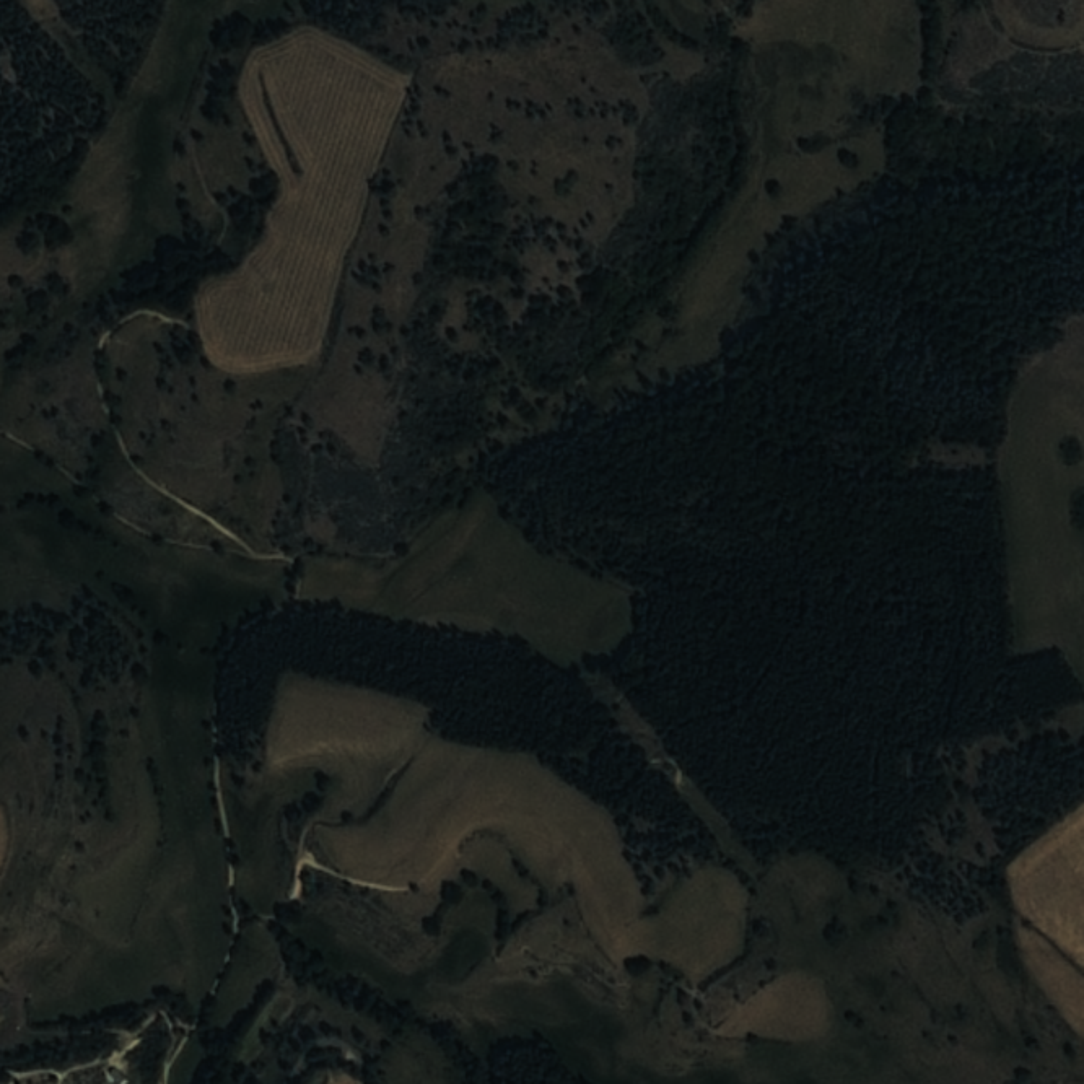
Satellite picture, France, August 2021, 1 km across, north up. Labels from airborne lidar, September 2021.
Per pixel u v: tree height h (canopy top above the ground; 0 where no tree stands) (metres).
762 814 13
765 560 16
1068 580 0
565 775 10
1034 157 14
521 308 0
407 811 0
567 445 13
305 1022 0
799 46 0
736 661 14
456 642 14
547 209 0
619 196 0
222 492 0
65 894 0
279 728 0
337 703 0
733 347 21
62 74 14
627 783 14
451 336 18
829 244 8
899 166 7
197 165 0
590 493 14
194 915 0
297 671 11
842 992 0
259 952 0
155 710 0
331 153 0
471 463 8
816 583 20
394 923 0
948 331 15
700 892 0
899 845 11
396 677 14
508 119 0
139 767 0
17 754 0
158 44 0
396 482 12
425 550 0
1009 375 9
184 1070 0
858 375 18
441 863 0
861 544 12
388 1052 9
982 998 0
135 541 0
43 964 0
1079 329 0
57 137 15
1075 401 0
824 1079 0
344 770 0
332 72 0
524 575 0
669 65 0
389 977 0
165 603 0
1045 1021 0
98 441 14
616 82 0
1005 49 0
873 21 0
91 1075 0
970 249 9
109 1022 9
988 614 16
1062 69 0
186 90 0
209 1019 11
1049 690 13
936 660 12
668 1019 0
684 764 11
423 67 0
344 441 0
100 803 6
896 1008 0
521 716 12
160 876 0
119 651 17
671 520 8
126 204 0
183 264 17
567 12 9
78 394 0
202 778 0
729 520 10
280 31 12
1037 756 14
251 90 0
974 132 17
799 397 13
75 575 0
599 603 0
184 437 0
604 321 15
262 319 0
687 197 12
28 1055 10
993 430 7
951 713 12
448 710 13
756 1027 0
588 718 20
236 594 0
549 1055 14
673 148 7
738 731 13
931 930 0
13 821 0
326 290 0
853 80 0
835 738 15
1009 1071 0
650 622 15
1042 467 0
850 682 14
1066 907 0
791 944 0
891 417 15
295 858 0
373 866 0
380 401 0
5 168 19
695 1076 0
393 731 0
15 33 14
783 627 15
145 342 0
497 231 11
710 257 0
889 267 12
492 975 0
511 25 12
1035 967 0
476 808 0
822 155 0
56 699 0
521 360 7
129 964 0
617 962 0
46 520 0
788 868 0
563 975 0
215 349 0
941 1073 0
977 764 0
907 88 0
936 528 10
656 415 15
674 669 15
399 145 0
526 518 9
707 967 0
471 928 0
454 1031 16
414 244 0
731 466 15
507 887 0
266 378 0
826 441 8
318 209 0
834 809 16
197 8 0
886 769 11
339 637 12
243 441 0
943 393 18
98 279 0
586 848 0
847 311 15
